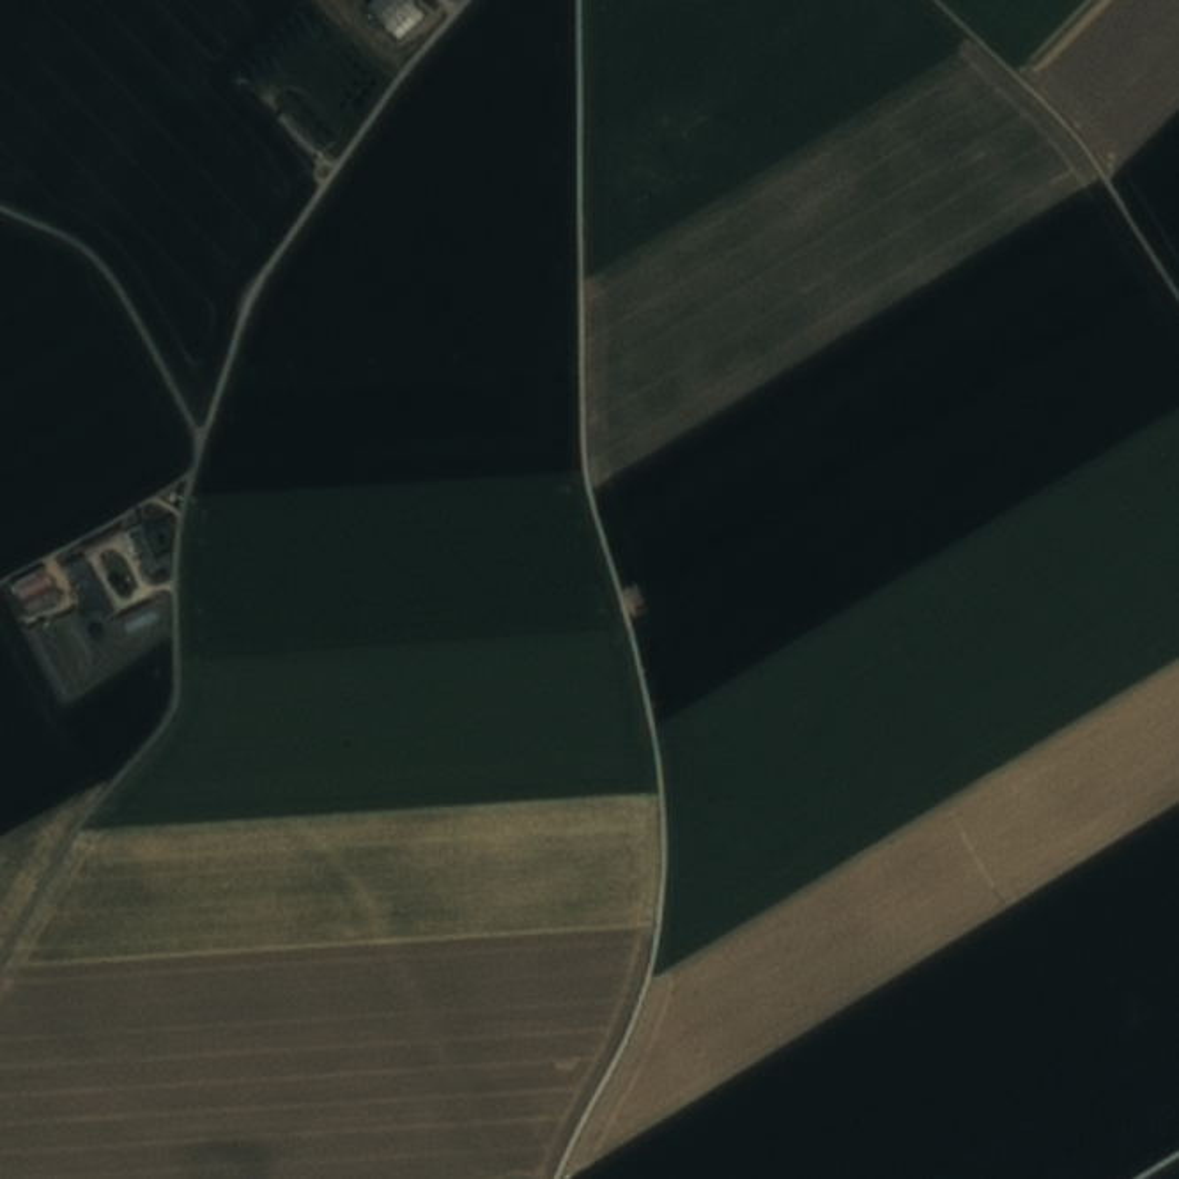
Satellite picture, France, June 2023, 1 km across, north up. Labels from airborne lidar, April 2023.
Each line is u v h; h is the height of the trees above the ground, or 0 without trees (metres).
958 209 0
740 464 0
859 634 0
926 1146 0
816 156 0
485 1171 0
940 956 0
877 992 0
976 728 0
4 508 0
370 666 0
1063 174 0
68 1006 0
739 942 0
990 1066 0
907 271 0
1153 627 0
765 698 0
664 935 0
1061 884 0
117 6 0
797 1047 0
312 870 0
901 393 0
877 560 0
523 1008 0
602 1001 0
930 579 0
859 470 0
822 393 0
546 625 0
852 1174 0
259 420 0
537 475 0
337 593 0
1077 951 0
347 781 0
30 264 0
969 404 0
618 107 0
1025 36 0
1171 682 0
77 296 0
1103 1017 0
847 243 0
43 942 0
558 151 0
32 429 0
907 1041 0
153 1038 0
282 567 0
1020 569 0
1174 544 0
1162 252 0
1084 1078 0
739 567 0
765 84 0
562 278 0
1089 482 0
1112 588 0
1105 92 0
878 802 0
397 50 0
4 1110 0
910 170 0
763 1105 0
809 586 0
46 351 0
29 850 0
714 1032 0
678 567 0
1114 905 0
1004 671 0
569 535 0
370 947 0
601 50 0
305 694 0
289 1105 0
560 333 0
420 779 0
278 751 0
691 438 0
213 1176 0
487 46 0
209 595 0
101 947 0
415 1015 0
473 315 0
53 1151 0
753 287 0
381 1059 0
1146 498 0
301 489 0
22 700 0
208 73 0
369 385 0
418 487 0
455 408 0
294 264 0
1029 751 0
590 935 0
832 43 0
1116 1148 0
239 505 0
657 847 0
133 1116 0
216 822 0
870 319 0
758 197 0
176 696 0
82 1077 0
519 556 0
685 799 0
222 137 0
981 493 0
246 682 0
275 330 0
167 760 0
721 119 0
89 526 0
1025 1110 0
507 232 0
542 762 0
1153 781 0
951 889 0
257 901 0
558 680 0
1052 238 0
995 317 0
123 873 0
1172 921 0
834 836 0
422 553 0
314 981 0
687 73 0
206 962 0
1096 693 0
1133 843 0
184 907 0
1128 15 0
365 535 0
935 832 0
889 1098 0
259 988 0
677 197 0
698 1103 0
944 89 0
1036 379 0
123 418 0
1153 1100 0
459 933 0
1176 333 0
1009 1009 0
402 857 0
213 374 0
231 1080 0
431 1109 0
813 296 0
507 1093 0
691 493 0
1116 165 0
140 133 0
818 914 0
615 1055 0
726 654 0
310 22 21
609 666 0
